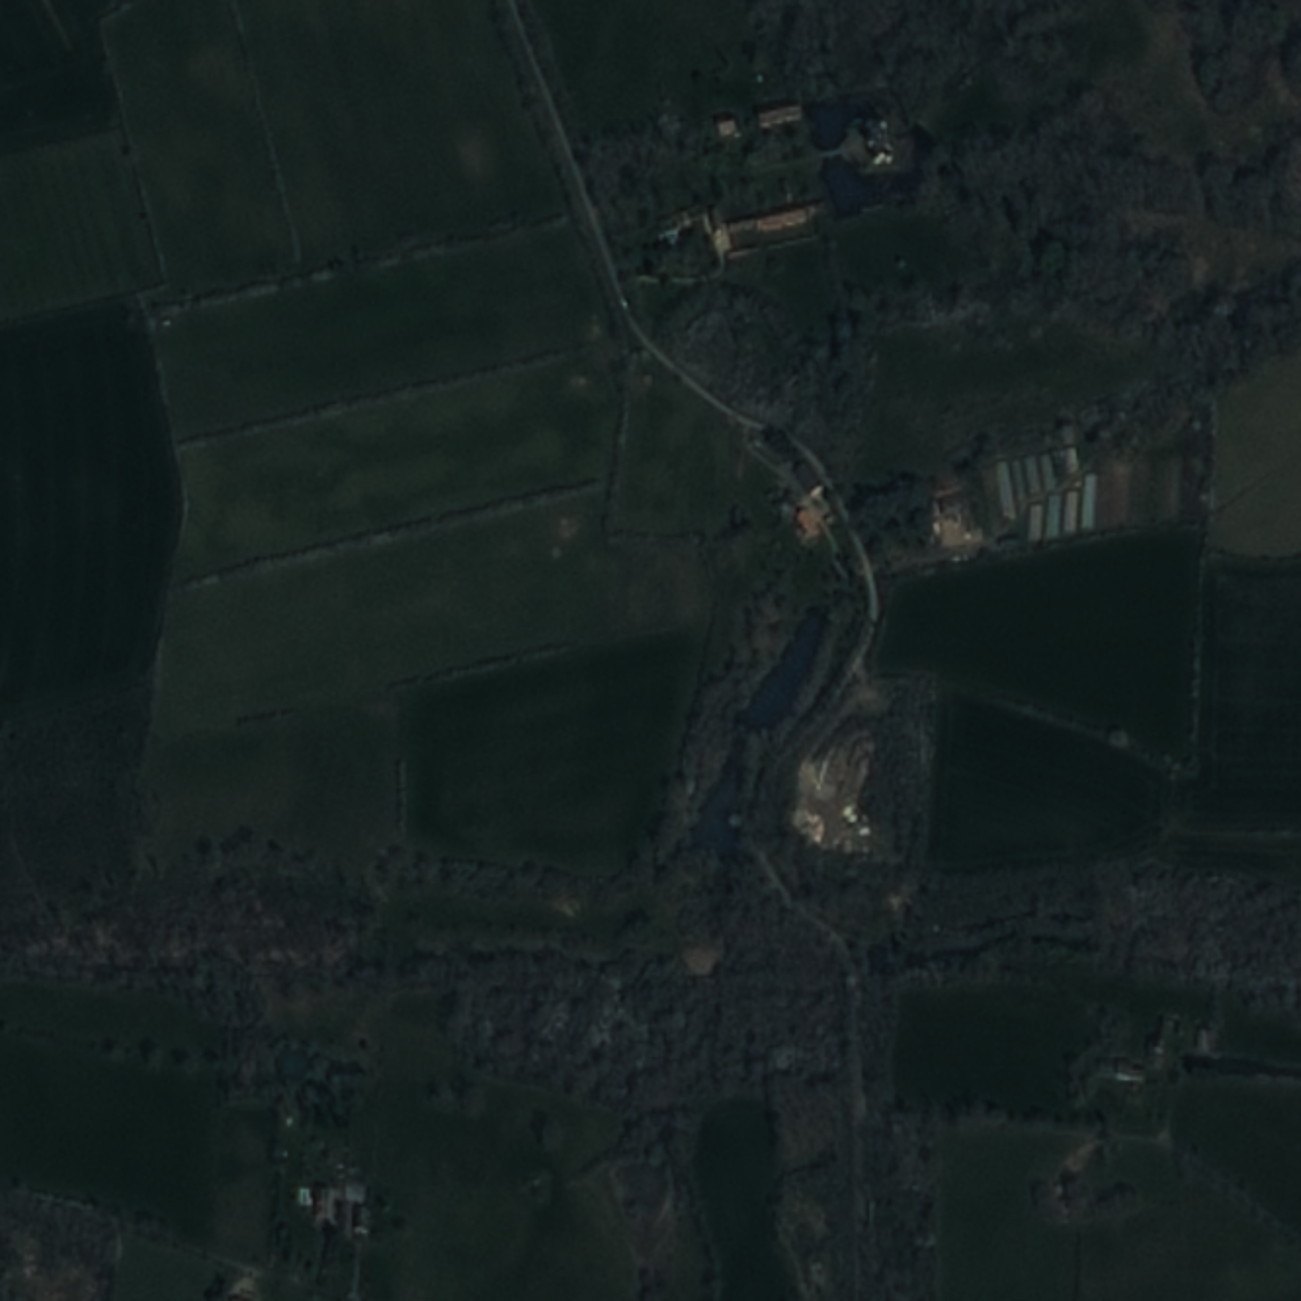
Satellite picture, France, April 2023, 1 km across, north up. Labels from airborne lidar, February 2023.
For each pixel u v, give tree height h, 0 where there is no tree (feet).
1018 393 0
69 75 0
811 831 0
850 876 20
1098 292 65
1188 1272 0
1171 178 73
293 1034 0
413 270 0
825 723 50
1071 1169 0
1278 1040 0
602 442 0
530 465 0
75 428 0
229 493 0
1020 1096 0
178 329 0
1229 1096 0
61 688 0
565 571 0
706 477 0
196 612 0
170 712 0
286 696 0
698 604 0
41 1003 0
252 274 0
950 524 0
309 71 0
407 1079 0
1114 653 0
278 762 0
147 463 0
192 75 0
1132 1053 0
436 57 0
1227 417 0
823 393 44
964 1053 0
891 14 63
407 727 0
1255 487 0
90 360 0
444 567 0
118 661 0
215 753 0
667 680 0
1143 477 0
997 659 0
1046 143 72
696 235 32
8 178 0
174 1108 0
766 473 0
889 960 38
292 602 0
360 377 0
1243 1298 0
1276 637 0
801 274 0
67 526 0
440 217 0
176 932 48
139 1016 0
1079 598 0
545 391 0
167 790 0
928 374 0
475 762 0
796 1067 26
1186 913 37
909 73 88
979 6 78
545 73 50
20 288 0
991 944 54
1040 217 89
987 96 0
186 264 0
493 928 27
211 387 0
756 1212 0
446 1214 0
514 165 0
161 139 0
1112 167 66
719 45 0
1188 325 23
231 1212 0
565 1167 0
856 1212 44
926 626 0
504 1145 0
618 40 0
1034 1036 0
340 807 0
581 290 0
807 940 36
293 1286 0
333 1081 39
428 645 0
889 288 26
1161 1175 0
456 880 55
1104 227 71
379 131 0
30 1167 0
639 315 52
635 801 0
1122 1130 0
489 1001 22
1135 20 0
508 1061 33
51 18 0
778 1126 53
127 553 0
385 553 0
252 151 0
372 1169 0
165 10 0
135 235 0
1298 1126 0
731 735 36
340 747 0
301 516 0
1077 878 37
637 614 0
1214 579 0
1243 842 0
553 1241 0
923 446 0
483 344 0
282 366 0
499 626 0
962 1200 0
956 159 50
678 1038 23
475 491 0
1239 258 0
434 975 68
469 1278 0
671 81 0
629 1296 0
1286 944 50
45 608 0
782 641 47
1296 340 54
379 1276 0
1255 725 0
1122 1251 0
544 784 0
